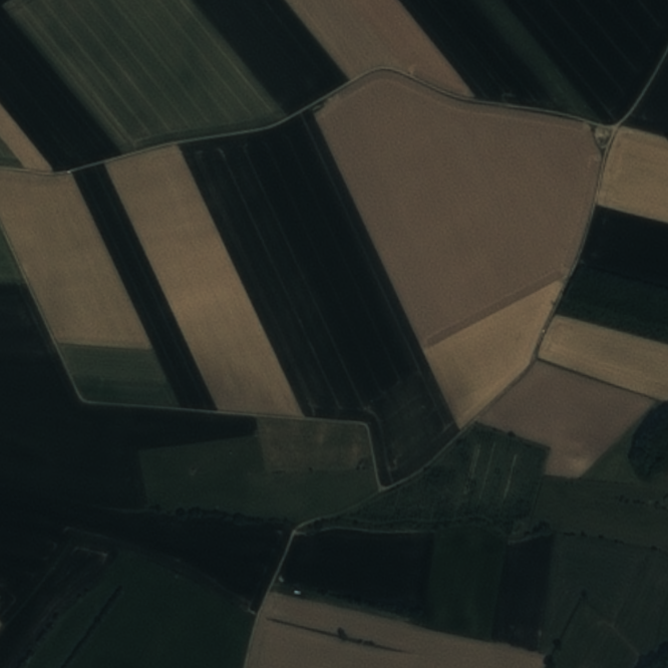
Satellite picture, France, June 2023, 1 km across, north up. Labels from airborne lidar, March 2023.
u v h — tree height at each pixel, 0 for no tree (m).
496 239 0
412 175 0
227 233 0
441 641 0
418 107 0
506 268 0
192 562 0
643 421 0
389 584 0
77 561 0
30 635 0
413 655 0
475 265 0
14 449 0
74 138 0
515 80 0
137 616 0
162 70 0
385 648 0
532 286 0
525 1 0
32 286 0
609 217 0
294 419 0
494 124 0
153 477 0
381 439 0
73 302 0
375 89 0
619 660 0
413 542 0
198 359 0
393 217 0
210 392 0
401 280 0
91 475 0
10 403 0
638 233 0
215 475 0
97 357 0
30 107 0
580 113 0
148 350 0
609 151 0
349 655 0
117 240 0
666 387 0
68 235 0
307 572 0
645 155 0
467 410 0
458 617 0
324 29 0
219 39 0
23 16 0
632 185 0
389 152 0
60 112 0
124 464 0
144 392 0
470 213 0
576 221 0
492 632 0
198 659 0
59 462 0
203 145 0
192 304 0
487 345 0
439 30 0
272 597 0
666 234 0
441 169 0
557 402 0
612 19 0
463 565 0
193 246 0
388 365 0
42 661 0
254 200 0
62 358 0
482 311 0
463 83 0
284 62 0
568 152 0
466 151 0
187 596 0
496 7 0
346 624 0
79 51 0
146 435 0
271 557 0
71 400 0
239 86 0
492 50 0
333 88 0
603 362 0
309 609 0
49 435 0
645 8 0
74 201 0
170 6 0
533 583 0
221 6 0
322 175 0
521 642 0
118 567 0
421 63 0
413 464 0
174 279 0
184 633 0
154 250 0
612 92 0
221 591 0
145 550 0
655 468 22
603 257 0
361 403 0
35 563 0
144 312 0
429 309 0
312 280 0
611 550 0
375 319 0
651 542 0
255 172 0
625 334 0
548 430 0
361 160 0
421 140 0
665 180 0
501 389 0
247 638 0
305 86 0
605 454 0
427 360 0
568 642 0
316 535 0
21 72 0
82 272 0
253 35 0
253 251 0
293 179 0
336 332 0
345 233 0
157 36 0
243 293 0
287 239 0
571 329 0
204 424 0
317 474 0
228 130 0
